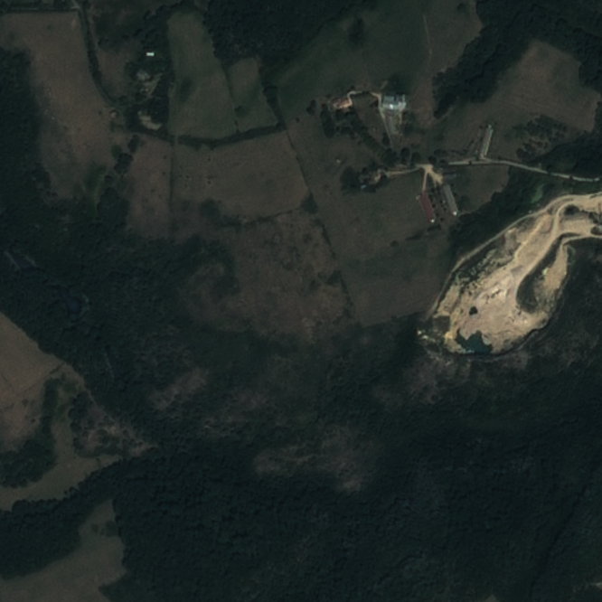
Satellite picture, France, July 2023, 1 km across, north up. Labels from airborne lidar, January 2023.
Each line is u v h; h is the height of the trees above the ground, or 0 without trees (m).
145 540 20
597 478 13
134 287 12
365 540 20
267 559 15
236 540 10
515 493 19
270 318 0
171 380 10
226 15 17
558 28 22
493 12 15
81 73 0
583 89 0
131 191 0
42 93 0
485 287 0
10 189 17
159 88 8
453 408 12
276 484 19
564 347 8
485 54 11
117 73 0
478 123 0
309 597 27
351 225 0
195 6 14
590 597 12
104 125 0
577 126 0
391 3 0
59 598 0
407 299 0
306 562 11
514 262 0
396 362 8
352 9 12
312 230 0
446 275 0
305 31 16
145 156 0
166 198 0
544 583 15
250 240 0
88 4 10
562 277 0
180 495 12
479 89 17
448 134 0
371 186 6
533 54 0
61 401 0
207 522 22
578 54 11
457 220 0
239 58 11
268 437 9
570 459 21
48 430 14
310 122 0
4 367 0
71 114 0
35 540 24
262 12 22
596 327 8
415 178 0
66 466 0
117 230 7
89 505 21
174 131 0
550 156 11
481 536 23
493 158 0
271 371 0
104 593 0
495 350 0
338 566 19
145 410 20
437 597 8
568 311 9
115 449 5
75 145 0
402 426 14
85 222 12
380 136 0
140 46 0
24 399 0
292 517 24
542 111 0
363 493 11
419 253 0
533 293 0
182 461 21
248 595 9
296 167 0
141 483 24
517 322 0
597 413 25
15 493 0
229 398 6
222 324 0
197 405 8
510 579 11
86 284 18
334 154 0
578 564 13
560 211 0
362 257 0
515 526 16
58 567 0
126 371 15
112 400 14
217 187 0
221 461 24
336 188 0
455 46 0
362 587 18
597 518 13
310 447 7
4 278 21
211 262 0
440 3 0
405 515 26
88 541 0
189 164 0
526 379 12
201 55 0
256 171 0
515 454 24
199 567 11
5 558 18
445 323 0
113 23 0
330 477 11
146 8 0
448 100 14
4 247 23
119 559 0
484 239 0
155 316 10
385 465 15
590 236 0
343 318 0
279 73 0
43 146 0
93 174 0
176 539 14
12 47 0
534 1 19
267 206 0
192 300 0
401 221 0
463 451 27
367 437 9
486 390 11
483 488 18
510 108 0
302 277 0
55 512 11
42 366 0
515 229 0
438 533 19
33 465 16
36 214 13
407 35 0
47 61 0
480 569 12
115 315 13
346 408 20
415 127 0
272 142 0
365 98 9
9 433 0
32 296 21
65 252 13
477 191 0
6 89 17
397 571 8
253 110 0
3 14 8
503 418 7
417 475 18
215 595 10
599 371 17
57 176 0
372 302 0
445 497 22
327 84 0
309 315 0
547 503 18
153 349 7
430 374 0
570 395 9
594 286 7
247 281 0
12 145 14
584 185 8
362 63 0
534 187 10
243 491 27
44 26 0
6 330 0
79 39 0
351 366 7
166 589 9
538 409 12
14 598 0
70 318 13
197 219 0
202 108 0
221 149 0
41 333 14
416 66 0
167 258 9
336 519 10
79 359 17
